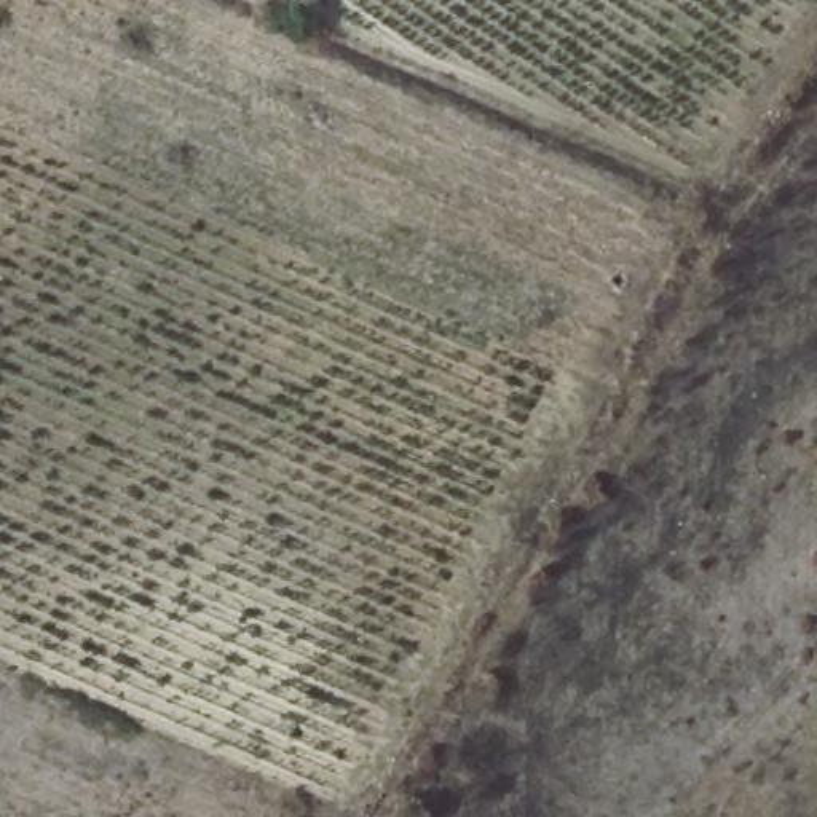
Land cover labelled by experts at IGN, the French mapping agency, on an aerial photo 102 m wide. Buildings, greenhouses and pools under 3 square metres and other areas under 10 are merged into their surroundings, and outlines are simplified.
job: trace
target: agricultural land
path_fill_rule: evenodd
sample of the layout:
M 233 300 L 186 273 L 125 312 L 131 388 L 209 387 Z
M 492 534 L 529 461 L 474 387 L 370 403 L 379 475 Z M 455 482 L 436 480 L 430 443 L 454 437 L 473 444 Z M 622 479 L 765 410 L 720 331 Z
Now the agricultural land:
M 278 817 L 281 798 L 290 788 L 144 724 L 140 737 L 99 737 L 61 699 L 26 699 L 26 673 L 0 657 L 0 817 Z

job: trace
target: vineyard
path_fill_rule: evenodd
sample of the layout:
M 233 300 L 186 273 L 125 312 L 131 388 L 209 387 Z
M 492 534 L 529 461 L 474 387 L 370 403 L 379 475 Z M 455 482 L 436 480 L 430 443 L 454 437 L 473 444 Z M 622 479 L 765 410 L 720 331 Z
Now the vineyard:
M 268 32 L 265 10 L 297 10 L 306 19 L 306 41 L 294 45 L 290 38 Z M 511 533 L 511 523 L 527 507 L 533 485 L 543 482 L 543 437 L 549 434 L 549 424 L 568 428 L 584 421 L 581 389 L 590 383 L 597 370 L 597 332 L 600 326 L 606 326 L 610 316 L 616 316 L 616 300 L 622 294 L 619 284 L 613 284 L 613 274 L 648 281 L 641 255 L 670 246 L 670 236 L 661 223 L 641 217 L 641 204 L 648 198 L 677 201 L 677 185 L 661 179 L 664 172 L 673 179 L 712 182 L 718 172 L 724 172 L 737 140 L 753 140 L 760 147 L 776 121 L 788 118 L 785 96 L 801 93 L 801 86 L 817 73 L 817 0 L 0 0 L 0 657 L 26 673 L 35 673 L 67 689 L 80 689 L 89 699 L 121 708 L 144 724 L 290 788 L 306 788 L 322 801 L 335 801 L 338 807 L 345 807 L 351 795 L 370 785 L 383 788 L 383 782 L 393 776 L 396 756 L 421 728 L 421 718 L 444 702 L 450 677 L 463 661 L 463 645 L 469 641 L 482 616 L 479 594 L 485 565 L 495 558 L 501 539 Z

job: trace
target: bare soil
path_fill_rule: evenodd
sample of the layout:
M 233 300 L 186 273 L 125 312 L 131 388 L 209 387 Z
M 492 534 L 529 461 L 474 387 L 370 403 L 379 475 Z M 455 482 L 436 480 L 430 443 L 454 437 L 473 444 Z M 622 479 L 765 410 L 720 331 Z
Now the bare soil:
M 641 217 L 661 223 L 670 236 L 670 246 L 641 255 L 648 281 L 613 274 L 613 284 L 619 284 L 622 294 L 616 300 L 616 316 L 610 316 L 606 326 L 600 326 L 597 332 L 597 370 L 590 383 L 581 389 L 584 421 L 568 428 L 549 424 L 549 434 L 543 437 L 543 482 L 533 485 L 527 507 L 511 523 L 511 533 L 501 539 L 495 558 L 485 565 L 479 594 L 482 616 L 469 641 L 463 645 L 463 661 L 450 677 L 444 702 L 421 718 L 421 728 L 396 756 L 393 776 L 383 782 L 383 788 L 370 785 L 351 795 L 345 807 L 338 807 L 335 801 L 322 801 L 306 788 L 290 788 L 281 798 L 278 817 L 817 817 L 817 73 L 801 86 L 801 93 L 785 96 L 788 118 L 776 121 L 760 147 L 753 140 L 737 140 L 724 172 L 718 172 L 712 182 L 673 179 L 664 172 L 661 179 L 677 185 L 677 201 L 648 198 L 641 204 Z

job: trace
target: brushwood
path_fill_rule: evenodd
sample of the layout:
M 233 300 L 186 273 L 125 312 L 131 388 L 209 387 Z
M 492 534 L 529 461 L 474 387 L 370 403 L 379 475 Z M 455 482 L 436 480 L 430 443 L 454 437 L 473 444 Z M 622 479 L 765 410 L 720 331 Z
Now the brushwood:
M 67 689 L 35 673 L 26 673 L 26 699 L 61 699 L 99 737 L 140 737 L 144 724 L 121 708 L 89 699 L 80 689 Z

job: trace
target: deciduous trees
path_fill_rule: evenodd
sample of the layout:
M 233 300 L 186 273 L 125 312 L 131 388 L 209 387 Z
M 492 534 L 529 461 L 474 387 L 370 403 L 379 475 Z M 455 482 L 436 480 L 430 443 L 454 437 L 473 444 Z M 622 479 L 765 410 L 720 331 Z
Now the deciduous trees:
M 297 10 L 265 10 L 268 32 L 290 38 L 294 45 L 306 41 L 306 19 Z

